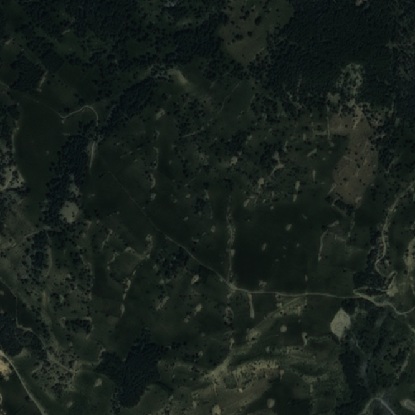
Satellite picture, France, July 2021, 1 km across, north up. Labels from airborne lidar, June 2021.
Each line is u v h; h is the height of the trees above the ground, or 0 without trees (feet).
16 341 33
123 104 44
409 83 39
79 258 18
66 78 0
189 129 20
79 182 42
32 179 0
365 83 36
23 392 0
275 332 0
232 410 0
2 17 53
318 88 29
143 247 0
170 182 0
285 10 0
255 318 0
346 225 0
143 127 0
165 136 0
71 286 29
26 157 0
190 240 0
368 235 0
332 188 0
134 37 43
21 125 0
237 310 0
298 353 0
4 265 0
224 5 45
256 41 0
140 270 0
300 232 0
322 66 44
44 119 0
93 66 52
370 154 0
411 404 0
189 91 0
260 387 0
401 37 69
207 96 0
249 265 0
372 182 0
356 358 48
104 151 0
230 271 0
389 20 73
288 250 0
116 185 0
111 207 0
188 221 0
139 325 0
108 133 29
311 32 57
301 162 0
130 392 45
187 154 0
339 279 0
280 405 0
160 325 0
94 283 0
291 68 24
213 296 0
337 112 22
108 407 0
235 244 0
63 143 0
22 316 0
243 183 0
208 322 0
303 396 0
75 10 53
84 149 43
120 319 0
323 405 0
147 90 54
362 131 0
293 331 0
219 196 0
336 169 23
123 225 0
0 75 0
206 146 0
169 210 0
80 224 25
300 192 25
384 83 65
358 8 63
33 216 0
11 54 0
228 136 0
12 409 0
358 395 45
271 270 0
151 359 45
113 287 0
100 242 0
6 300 0
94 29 51
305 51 25
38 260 38
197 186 0
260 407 0
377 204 0
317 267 0
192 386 0
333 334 24
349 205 20
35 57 0
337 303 0
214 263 0
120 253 0
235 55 0
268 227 0
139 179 0
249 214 0
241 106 0
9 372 0
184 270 0
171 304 0
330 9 64
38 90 0
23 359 0
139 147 31
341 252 0
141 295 0
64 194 34
